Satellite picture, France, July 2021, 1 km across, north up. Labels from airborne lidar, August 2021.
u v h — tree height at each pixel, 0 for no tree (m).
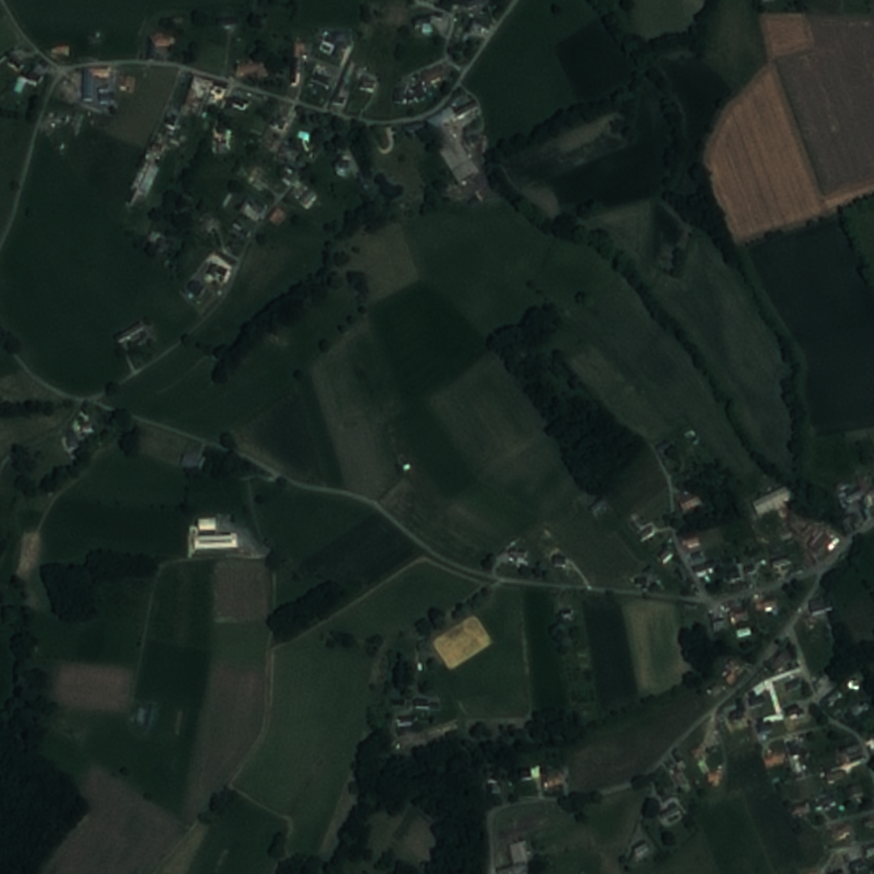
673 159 18
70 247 0
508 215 0
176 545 0
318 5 0
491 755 24
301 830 0
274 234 0
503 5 7
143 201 0
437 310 0
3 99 0
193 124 0
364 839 9
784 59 0
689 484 12
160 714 0
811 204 0
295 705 0
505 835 0
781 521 0
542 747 9
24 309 0
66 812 25
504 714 0
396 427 0
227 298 0
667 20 0
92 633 0
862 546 8
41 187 0
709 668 24
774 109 0
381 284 0
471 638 0
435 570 0
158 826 0
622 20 16
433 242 0
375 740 19
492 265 0
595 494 22
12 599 0
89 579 22
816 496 14
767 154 0
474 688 0
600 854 0
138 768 0
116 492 0
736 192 0
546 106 0
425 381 0
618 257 21
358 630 0
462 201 0
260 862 0
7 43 0
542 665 0
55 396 0
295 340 0
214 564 0
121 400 0
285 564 9
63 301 0
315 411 0
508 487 0
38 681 12
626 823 0
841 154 0
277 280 0
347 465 0
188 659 0
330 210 0
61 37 0
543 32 0
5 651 0
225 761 0
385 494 0
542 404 9
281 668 0
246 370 0
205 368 0
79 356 0
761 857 0
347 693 0
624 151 0
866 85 0
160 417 0
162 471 0
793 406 16
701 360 17
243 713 0
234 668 0
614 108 17
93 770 0
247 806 0
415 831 0
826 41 0
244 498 0
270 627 12
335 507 0
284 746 0
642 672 0
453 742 19
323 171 0
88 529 0
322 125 15
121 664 0
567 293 0
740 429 10
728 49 0
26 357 0
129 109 0
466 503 0
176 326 0
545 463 0
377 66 0
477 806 30
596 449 19
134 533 0
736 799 0
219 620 0
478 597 13
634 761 0
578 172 0
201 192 0
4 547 27
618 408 0
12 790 23
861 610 0
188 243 10
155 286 0
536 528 0
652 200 0
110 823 0
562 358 21
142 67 0
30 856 25
